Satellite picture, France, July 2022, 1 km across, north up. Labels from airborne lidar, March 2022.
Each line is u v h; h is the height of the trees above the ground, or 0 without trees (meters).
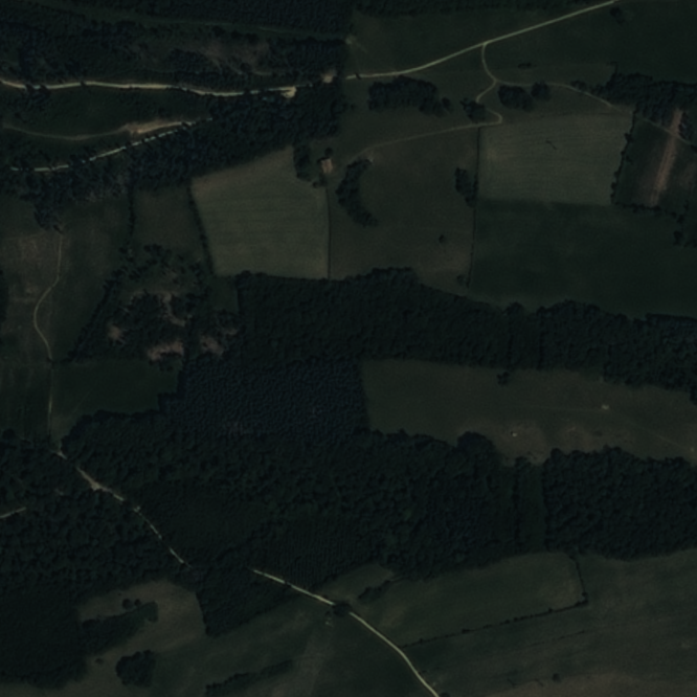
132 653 0
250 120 24
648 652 0
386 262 0
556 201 0
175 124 0
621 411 0
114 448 24
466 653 0
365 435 25
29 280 0
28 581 23
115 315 16
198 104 16
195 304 25
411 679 0
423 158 0
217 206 0
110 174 25
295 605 0
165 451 22
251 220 0
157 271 0
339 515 9
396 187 0
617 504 25
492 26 0
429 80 0
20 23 14
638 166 0
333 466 21
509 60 0
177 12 25
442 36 0
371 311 19
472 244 0
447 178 0
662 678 0
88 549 25
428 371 0
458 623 0
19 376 0
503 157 0
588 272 0
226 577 18
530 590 0
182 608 0
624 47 0
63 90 0
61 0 13
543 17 0
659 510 21
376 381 0
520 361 25
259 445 26
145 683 21
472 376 0
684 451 0
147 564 22
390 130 0
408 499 25
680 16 0
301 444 25
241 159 10
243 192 0
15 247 0
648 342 17
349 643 0
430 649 0
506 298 0
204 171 15
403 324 21
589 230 0
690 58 0
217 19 20
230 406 29
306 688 0
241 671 0
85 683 0
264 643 0
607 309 0
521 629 0
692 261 0
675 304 0
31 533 28
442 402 0
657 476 26
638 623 0
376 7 21
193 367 26
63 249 0
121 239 0
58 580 22
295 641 0
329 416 32
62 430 0
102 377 0
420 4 23
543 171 0
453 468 25
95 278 0
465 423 0
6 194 17
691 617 0
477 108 22
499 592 0
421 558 24
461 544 22
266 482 27
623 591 0
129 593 0
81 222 0
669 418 0
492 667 0
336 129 21
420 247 0
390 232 0
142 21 0
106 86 0
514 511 6
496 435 0
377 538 9
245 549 19
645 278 0
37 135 0
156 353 27
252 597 14
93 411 0
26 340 0
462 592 0
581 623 0
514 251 0
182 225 0
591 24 0
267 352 21
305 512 27
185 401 26
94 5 19
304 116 8
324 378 29
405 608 0
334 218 0
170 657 0
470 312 12
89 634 22
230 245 0
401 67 0
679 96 25
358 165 13
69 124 0
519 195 0
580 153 0
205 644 0
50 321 0
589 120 0
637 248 0
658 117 21
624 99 18
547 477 14
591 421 0
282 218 0
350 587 0
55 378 0
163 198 0
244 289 25
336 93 9
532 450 0
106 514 23
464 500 21
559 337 23
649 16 0
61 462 26
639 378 25
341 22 27
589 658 0
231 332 21
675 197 0
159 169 27
